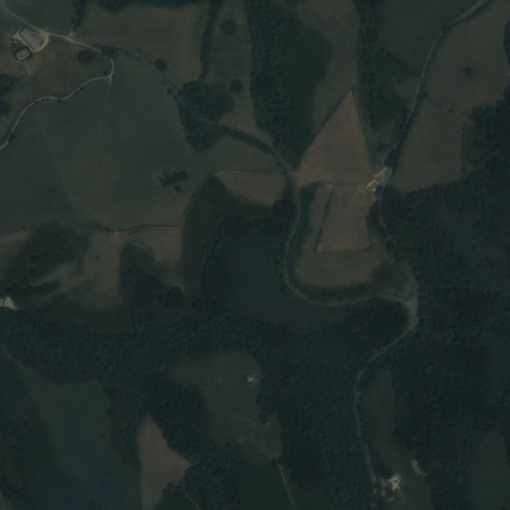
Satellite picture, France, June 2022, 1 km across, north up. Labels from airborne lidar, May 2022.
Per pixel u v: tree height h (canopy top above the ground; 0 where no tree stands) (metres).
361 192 0
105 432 0
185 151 0
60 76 0
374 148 0
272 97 13
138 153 0
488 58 0
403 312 7
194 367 0
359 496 16
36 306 0
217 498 28
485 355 18
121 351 23
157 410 13
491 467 0
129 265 0
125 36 0
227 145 0
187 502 0
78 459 0
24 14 0
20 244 0
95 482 0
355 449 9
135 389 21
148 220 0
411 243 30
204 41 0
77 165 0
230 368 0
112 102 0
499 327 13
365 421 6
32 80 0
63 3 0
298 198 0
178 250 0
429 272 27
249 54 0
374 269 0
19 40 0
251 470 9
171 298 24
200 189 0
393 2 0
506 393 9
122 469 0
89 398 0
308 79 0
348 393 8
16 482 0
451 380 31
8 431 12
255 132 0
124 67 0
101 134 0
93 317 0
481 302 29
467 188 14
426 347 15
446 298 28
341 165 0
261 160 0
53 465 0
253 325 21
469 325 19
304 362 12
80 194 0
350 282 0
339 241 0
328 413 9
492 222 18
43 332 21
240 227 31
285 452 13
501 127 35
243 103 0
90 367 7
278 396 20
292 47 0
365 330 29
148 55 0
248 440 0
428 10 0
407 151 0
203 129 18
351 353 13
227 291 11
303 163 0
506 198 20
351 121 0
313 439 30
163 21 0
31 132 0
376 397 0
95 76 0
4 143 0
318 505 0
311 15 0
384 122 0
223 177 0
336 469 16
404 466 0
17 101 0
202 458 15
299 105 0
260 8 25
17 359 7
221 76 0
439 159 0
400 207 11
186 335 23
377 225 10
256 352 23
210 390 0
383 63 0
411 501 0
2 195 0
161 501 0
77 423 0
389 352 11
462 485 20
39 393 0
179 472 0
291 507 0
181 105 10
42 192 0
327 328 9
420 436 25
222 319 25
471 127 0
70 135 0
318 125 0
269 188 0
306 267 0
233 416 0
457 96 0
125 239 0
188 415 22
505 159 23
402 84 0
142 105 0
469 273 19
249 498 0
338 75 0
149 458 0
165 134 0
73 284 0
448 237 20
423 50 0
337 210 0
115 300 0
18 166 0
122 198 0
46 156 0
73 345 26
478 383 18
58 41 0
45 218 0
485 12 0
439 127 0
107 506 0
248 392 0
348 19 0
